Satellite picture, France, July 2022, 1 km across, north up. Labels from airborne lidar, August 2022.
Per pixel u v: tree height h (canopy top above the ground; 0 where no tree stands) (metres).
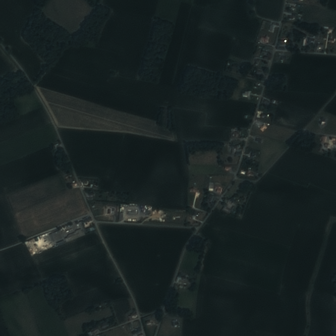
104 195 0
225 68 8
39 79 16
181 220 0
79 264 0
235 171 0
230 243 0
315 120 0
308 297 0
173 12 0
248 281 0
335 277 12
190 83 30
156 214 0
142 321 8
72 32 0
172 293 21
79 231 0
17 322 0
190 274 0
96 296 0
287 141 11
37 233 0
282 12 0
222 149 6
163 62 18
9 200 0
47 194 0
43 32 25
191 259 0
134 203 0
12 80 27
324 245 0
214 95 14
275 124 0
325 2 22
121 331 0
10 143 0
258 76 15
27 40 25
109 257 0
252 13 18
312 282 0
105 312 0
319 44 0
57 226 0
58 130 0
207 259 0
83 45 8
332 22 0
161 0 0
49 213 0
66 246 0
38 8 14
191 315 20
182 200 0
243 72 22
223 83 27
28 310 0
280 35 6
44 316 0
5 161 0
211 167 0
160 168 0
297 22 11
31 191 0
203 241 25
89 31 23
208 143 20
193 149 19
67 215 0
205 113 0
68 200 0
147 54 22
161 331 0
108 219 0
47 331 0
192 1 0
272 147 0
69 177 8
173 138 0
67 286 16
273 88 22
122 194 7
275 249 0
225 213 8
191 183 0
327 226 0
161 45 21
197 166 0
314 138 21
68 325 0
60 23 0
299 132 8
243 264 0
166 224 0
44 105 0
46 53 23
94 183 6
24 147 0
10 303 0
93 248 0
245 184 20
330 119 0
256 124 0
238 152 0
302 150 21
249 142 0
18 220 0
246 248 0
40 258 0
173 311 24
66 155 15
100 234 0
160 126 9
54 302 28
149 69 22
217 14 0
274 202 0
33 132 0
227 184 0
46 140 0
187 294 0
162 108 9
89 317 0
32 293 0
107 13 16
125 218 0
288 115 0
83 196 0
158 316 20
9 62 0
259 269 0
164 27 24
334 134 0
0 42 14
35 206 0
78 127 0
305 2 0
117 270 0
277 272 0
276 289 0
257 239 0
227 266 0
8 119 19
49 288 25
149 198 0
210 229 0
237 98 0
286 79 21
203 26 0
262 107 7
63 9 0
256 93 0
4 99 23
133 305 0
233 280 0
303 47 10
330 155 12
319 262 0
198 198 0
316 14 0
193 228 9
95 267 0
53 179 0
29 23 14
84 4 0
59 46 23
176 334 0
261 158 0
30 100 0
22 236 16
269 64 0
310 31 20
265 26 0
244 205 9
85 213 0
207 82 29
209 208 9
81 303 0
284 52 0
